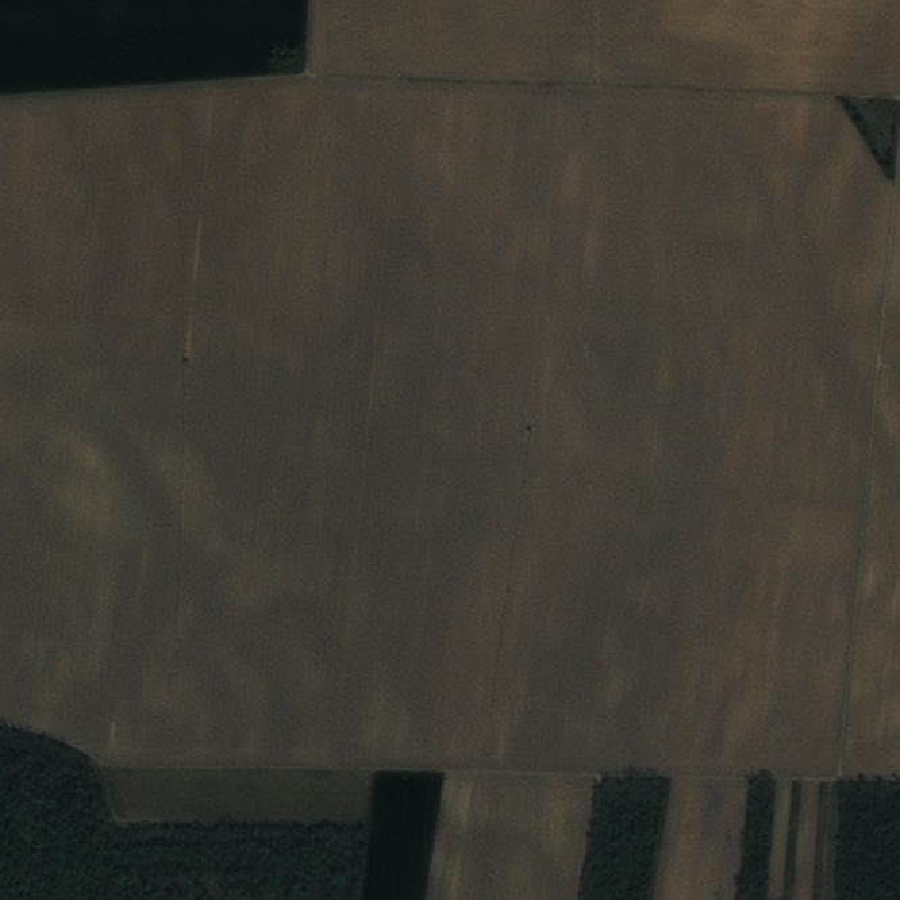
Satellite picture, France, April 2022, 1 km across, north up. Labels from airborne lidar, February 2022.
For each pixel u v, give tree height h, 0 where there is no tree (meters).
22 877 14
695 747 0
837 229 0
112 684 0
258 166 0
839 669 0
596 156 0
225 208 0
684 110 0
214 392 0
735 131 0
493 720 0
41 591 0
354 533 0
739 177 0
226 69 0
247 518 0
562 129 0
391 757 0
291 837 10
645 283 0
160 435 0
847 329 0
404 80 0
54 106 0
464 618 0
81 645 0
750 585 0
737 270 0
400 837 0
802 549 0
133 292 0
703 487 0
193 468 0
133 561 0
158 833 10
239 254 0
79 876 13
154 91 0
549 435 0
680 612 0
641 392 0
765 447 0
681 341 0
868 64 0
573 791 0
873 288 0
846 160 0
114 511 0
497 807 0
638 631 0
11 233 0
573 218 0
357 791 0
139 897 15
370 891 0
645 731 0
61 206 0
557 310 0
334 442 0
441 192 0
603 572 0
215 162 0
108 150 0
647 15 0
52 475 0
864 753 0
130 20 0
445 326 0
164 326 0
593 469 0
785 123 0
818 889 0
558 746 0
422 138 0
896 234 0
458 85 0
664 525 0
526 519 0
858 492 0
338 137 0
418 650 0
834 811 0
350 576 0
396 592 0
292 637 0
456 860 0
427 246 0
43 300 0
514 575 0
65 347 0
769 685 0
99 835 12
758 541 0
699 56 0
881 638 0
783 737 0
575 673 0
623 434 0
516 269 0
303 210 0
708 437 0
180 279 0
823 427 0
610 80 0
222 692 0
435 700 0
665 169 0
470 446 0
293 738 0
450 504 0
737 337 0
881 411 0
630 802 11
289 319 0
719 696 0
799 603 0
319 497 0
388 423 0
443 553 0
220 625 0
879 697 0
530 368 0
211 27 0
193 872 16
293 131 0
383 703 0
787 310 0
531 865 0
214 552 0
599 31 0
